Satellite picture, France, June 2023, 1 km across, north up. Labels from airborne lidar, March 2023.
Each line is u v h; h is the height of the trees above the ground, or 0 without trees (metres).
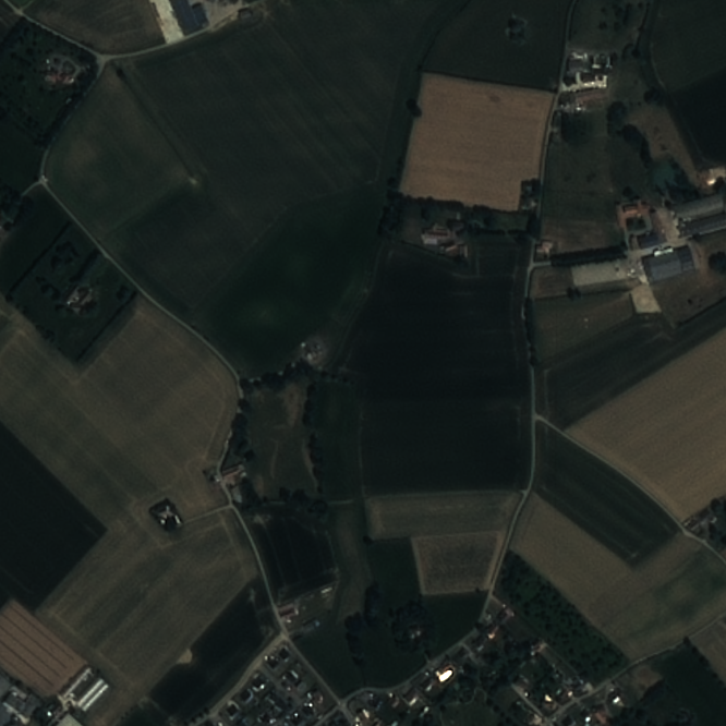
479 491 0
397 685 0
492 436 0
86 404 0
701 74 0
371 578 0
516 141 0
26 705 0
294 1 0
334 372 0
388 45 0
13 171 0
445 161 0
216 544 0
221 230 0
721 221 0
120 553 0
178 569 0
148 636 0
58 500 0
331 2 0
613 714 0
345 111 0
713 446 0
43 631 0
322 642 0
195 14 0
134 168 0
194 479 0
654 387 0
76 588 0
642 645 0
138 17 0
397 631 13
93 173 0
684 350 0
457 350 0
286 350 0
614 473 0
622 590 0
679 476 0
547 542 0
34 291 0
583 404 0
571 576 0
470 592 0
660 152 0
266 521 0
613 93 0
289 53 0
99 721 0
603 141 0
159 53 0
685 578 0
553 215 0
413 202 11
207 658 0
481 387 0
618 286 0
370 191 0
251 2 0
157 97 0
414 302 0
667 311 0
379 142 0
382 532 0
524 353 0
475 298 0
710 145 0
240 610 0
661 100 14
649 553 0
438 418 0
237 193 0
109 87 0
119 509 0
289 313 0
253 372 0
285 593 0
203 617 0
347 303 0
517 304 0
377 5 0
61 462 0
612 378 0
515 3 0
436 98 0
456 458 0
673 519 0
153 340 0
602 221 0
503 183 0
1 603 0
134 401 0
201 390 0
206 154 0
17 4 0
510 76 0
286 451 0
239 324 0
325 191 0
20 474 0
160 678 0
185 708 0
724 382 0
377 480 0
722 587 0
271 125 0
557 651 0
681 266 0
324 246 0
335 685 0
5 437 0
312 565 0
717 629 0
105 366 0
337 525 0
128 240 0
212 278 0
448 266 0
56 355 0
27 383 0
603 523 0
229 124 0
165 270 0
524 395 0
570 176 0
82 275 12
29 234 0
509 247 0
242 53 0
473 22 0
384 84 0
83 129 0
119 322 0
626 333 0
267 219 0
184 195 0
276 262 0
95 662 0
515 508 0
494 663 15
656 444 0
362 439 0
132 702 0
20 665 0
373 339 0
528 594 0
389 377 0
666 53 0
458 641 0
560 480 0
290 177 0
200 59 0
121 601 0
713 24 0
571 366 0
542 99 0
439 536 0
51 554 0
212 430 0
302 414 0
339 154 0
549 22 0
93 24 0
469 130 0
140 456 0
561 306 0
